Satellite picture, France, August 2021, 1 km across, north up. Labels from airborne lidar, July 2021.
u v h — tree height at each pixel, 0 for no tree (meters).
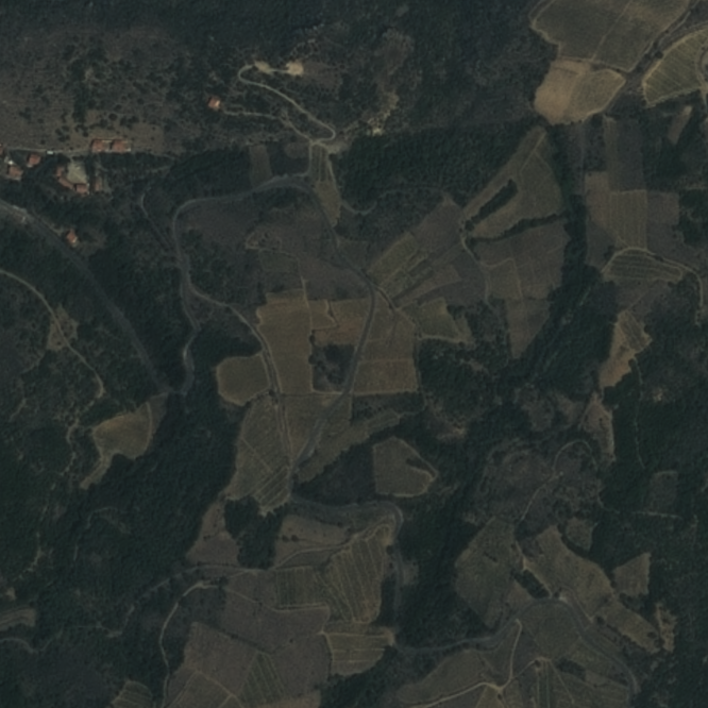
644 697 9
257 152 0
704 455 9
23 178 6
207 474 9
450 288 0
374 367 0
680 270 0
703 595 6
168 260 7
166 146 0
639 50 0
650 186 6
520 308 0
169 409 14
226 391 0
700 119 6
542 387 11
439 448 12
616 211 0
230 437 7
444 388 8
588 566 0
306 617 0
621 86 0
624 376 7
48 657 6
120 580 7
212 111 6
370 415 5
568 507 8
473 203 0
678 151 10
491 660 0
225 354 8
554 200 0
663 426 9
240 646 0
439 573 12
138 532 7
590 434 6
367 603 0
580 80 0
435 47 8
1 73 0
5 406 6
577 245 14
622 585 0
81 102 6
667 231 0
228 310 8
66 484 10
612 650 0
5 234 9
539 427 0
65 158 9
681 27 0
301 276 0
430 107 7
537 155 0
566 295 16
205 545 0
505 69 6
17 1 7
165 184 6
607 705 0
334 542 0
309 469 0
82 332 13
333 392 0
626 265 0
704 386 12
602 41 0
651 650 0
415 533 7
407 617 12
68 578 8
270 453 0
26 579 6
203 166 8
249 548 8
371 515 0
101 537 7
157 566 7
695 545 6
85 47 6
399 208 7
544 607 0
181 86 6
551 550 0
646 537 7
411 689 0
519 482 0
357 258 0
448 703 0
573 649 0
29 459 7
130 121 6
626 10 0
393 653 6
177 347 11
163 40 0
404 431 12
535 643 0
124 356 8
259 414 0
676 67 0
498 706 0
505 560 0
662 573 6
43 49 0
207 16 5
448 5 8
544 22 0
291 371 0
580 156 0
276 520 13
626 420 9
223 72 5
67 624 6
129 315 8
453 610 7
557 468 0
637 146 0
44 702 8
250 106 6
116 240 7
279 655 0
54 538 8
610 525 6
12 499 13
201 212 0
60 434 6
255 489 0
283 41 5
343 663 0
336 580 0
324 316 0
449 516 6
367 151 8
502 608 0
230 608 0
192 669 0
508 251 0
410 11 6
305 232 0
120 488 12
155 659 9
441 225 0
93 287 11
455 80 5
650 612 9
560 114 0
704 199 8
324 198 0
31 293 8
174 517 7
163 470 9
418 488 0
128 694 0
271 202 6
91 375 8
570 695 0
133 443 0
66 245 7
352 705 12
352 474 6
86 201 6
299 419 0
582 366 6
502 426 6
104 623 6
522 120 5
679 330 6
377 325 0
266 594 0
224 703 0
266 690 0
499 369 7
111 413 10
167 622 0
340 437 0
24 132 0
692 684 7
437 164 7
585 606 0
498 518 0
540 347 9
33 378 7
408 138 7
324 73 0
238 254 0
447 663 0
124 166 11
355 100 6
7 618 0
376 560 0
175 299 6
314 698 0
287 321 0
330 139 0
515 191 7
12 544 10
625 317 0
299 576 0
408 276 0
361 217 6
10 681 8
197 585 0
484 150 7
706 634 8
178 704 0
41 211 7
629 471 8
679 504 6
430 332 0
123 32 0
